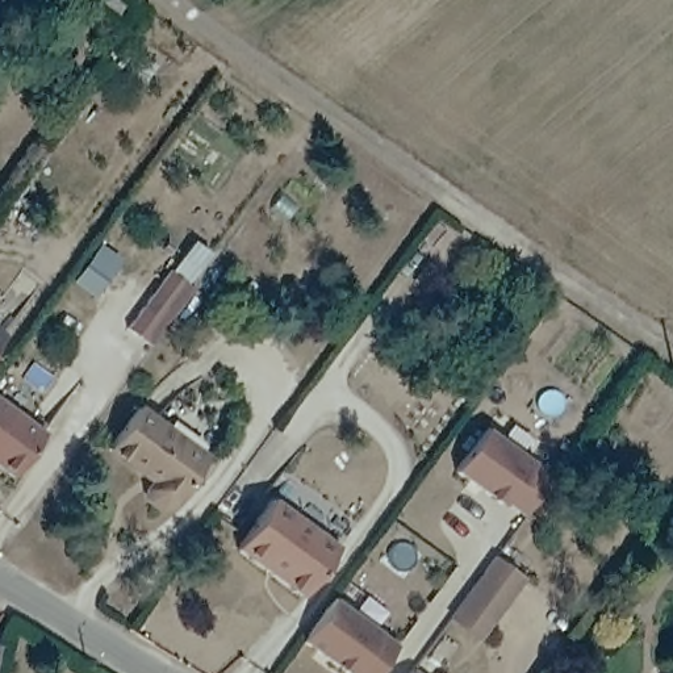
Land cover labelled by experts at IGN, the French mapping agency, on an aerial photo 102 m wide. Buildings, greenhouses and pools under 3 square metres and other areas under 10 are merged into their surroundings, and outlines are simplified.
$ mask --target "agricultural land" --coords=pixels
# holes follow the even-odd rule
[[[407,152],[413,160],[436,171],[455,189],[460,189],[473,202],[502,218],[507,226],[518,229],[523,237],[531,239],[534,255],[542,255],[552,273],[557,266],[565,263],[584,279],[597,276],[613,289],[626,292],[631,300],[655,310],[660,318],[668,318],[673,313],[673,0],[216,0],[216,11],[221,13],[221,18],[229,21],[231,29],[242,29],[242,37],[252,47],[258,47],[266,55],[276,53],[289,66],[315,76],[315,81],[321,84],[318,95],[337,95],[337,105],[347,116],[358,118],[360,124],[397,145],[402,152]]]
[[[615,355],[610,339],[592,339],[589,329],[578,329],[563,350],[563,355],[557,358],[555,371],[563,373],[578,389],[578,397],[589,405],[597,397],[597,392],[607,384],[620,358]]]

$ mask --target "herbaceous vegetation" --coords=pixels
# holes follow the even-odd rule
[[[300,478],[300,484],[315,489],[323,499],[329,499],[329,494],[339,494],[344,499],[344,513],[365,510],[373,505],[373,499],[386,484],[389,463],[381,444],[368,439],[365,447],[347,447],[339,439],[339,423],[323,423],[305,436],[302,444],[305,455],[297,463],[297,468],[305,478]]]
[[[315,652],[321,652],[310,639],[302,644],[302,649],[287,665],[284,673],[323,673],[323,668],[315,662]]]
[[[155,386],[168,381],[189,360],[171,347],[166,337],[155,342],[145,339],[145,360],[137,368],[150,371]]]
[[[618,423],[623,426],[628,442],[649,450],[652,471],[660,478],[673,478],[673,386],[660,376],[649,373],[634,381],[631,392],[626,394],[618,410]]]
[[[147,531],[158,523],[158,513],[155,499],[160,492],[142,489],[124,507],[124,521],[137,518],[137,528]]]
[[[32,131],[32,116],[26,108],[34,97],[32,89],[24,89],[21,95],[5,95],[0,105],[0,192],[13,179],[18,163],[29,155],[29,150],[39,145],[39,137],[39,131]]]
[[[492,647],[486,641],[476,641],[465,631],[465,626],[455,623],[444,634],[444,641],[455,644],[455,649],[447,660],[442,660],[442,673],[489,673],[492,662],[502,662],[502,655],[489,655]]]
[[[42,11],[42,0],[0,0],[0,26],[8,24],[11,11]]]
[[[463,397],[447,392],[434,392],[431,397],[410,394],[400,373],[389,365],[381,365],[371,347],[360,352],[352,363],[347,373],[347,386],[384,421],[394,426],[394,431],[405,439],[410,460],[415,463],[434,444],[439,431],[447,426],[450,415],[463,405]]]
[[[121,189],[124,179],[150,150],[160,129],[171,124],[171,118],[181,110],[202,74],[213,68],[213,58],[208,53],[195,50],[179,50],[174,34],[166,26],[152,26],[145,34],[145,47],[152,55],[152,63],[142,68],[139,105],[129,113],[110,113],[100,92],[89,95],[84,100],[79,118],[66,129],[63,139],[58,142],[55,150],[37,150],[42,158],[42,168],[42,189],[34,189],[26,197],[26,205],[21,208],[29,218],[42,210],[58,208],[58,221],[47,234],[60,234],[74,247],[81,242],[87,229],[103,216],[105,202],[116,195],[116,189]]]
[[[589,329],[592,339],[610,339],[615,355],[620,358],[607,384],[597,392],[597,397],[589,405],[578,397],[578,389],[563,373],[555,371],[557,358],[563,355],[563,350],[578,329]],[[463,431],[457,444],[444,447],[442,457],[423,478],[418,492],[410,497],[394,526],[379,539],[358,576],[350,581],[347,597],[352,597],[363,602],[363,613],[371,620],[392,626],[389,636],[402,641],[418,623],[426,605],[436,599],[444,581],[457,568],[452,547],[439,534],[439,526],[444,523],[444,513],[452,513],[452,505],[457,505],[457,497],[468,494],[468,481],[460,473],[460,468],[478,452],[478,444],[486,436],[486,431],[513,434],[518,444],[536,450],[542,455],[542,505],[534,515],[531,534],[521,539],[515,536],[505,549],[505,555],[515,557],[510,568],[515,573],[523,573],[528,584],[547,594],[549,573],[568,573],[573,568],[578,581],[589,584],[592,594],[599,594],[605,592],[610,576],[620,573],[628,555],[634,557],[636,570],[649,573],[657,568],[652,549],[641,542],[639,534],[628,534],[626,523],[607,536],[599,536],[594,544],[589,544],[586,539],[576,539],[573,528],[563,528],[563,552],[557,557],[542,555],[534,544],[534,531],[542,531],[542,526],[555,513],[555,494],[565,471],[563,447],[568,442],[563,436],[570,431],[589,431],[592,418],[615,397],[620,381],[639,363],[639,358],[652,355],[655,350],[644,342],[634,342],[620,329],[607,326],[602,315],[594,313],[586,302],[560,289],[557,310],[549,318],[544,318],[528,337],[526,360],[513,363],[499,376],[499,392],[494,392],[492,400],[478,402],[473,423]],[[539,400],[547,392],[560,392],[565,397],[563,413],[549,415],[539,407]]]
[[[71,281],[63,297],[55,302],[60,313],[66,313],[66,326],[76,329],[79,337],[89,329],[89,321],[97,313],[97,297],[76,281]]]
[[[24,255],[24,263],[0,260],[0,294],[5,294],[5,289],[13,287],[24,268],[34,263],[34,255]]]
[[[673,610],[655,613],[655,626],[660,628],[655,647],[657,673],[673,673]]]
[[[89,29],[89,34],[81,37],[79,45],[71,50],[76,66],[71,68],[71,74],[76,79],[81,79],[87,71],[97,66],[97,58],[87,55],[89,42],[100,39],[100,32]]]
[[[171,586],[158,602],[147,620],[134,628],[155,649],[192,668],[195,673],[231,673],[242,662],[242,657],[271,631],[276,618],[292,613],[297,602],[308,605],[323,586],[315,578],[308,578],[305,586],[279,584],[276,578],[271,578],[271,573],[255,565],[255,552],[244,547],[234,542],[234,513],[221,513],[221,528],[213,531],[213,536],[221,542],[226,552],[226,573],[223,578],[210,576],[197,592],[213,613],[213,628],[202,636],[187,628],[179,618],[179,597]]]
[[[37,342],[26,339],[21,344],[21,368],[32,371],[34,365],[45,365]]]
[[[124,392],[113,400],[108,413],[108,431],[116,442],[129,429],[137,410],[145,407],[147,400]]]
[[[473,252],[489,250],[507,258],[507,276],[536,273],[539,281],[544,281],[552,276],[552,273],[542,255],[534,255],[521,258],[518,250],[497,244],[492,237],[478,234],[473,226],[465,226],[463,231],[452,231],[450,226],[436,223],[426,234],[415,255],[407,260],[407,266],[394,276],[394,281],[384,292],[386,302],[381,305],[381,313],[389,318],[392,326],[400,326],[402,315],[407,313],[429,318],[436,310],[436,300],[442,294],[426,294],[429,273],[452,273],[463,258]]]
[[[0,547],[0,552],[11,563],[34,570],[42,581],[60,592],[76,592],[84,581],[79,576],[79,565],[66,557],[63,539],[53,536],[50,531],[55,526],[81,526],[92,521],[92,515],[81,505],[81,494],[74,492],[79,476],[89,481],[87,497],[108,494],[108,499],[116,499],[134,484],[134,473],[124,463],[129,455],[121,455],[113,447],[108,447],[100,457],[89,450],[89,444],[79,439],[71,439],[71,444],[66,447],[63,468],[55,484],[47,489],[39,513],[26,523],[24,531],[8,536]]]
[[[326,344],[321,339],[305,339],[300,344],[289,344],[284,358],[289,371],[294,371],[300,379],[308,373],[308,368]]]
[[[181,189],[171,189],[163,179],[163,166],[155,163],[139,184],[139,189],[118,205],[103,242],[118,250],[118,271],[108,289],[121,289],[129,276],[137,276],[139,284],[147,289],[158,268],[166,263],[166,258],[174,258],[176,252],[184,258],[195,244],[210,247],[216,255],[216,260],[202,273],[200,305],[195,313],[205,321],[208,310],[218,305],[223,294],[229,294],[226,276],[237,266],[237,258],[250,266],[250,287],[260,287],[260,297],[268,305],[271,315],[276,310],[305,308],[308,297],[318,289],[323,271],[329,266],[339,266],[344,258],[358,276],[358,284],[368,287],[381,273],[384,263],[394,255],[400,242],[407,237],[407,231],[415,226],[421,213],[436,202],[429,192],[413,187],[397,171],[386,168],[368,152],[360,152],[352,160],[355,179],[371,195],[376,213],[384,221],[384,234],[363,237],[347,221],[344,195],[329,187],[308,163],[308,142],[292,131],[271,131],[268,126],[263,126],[255,131],[255,137],[266,142],[266,152],[244,152],[229,139],[221,116],[210,105],[200,105],[189,113],[189,118],[181,124],[179,134],[171,142],[202,168],[202,176],[197,176]],[[124,216],[137,202],[152,202],[160,213],[160,221],[168,226],[171,234],[166,247],[137,247],[124,231]]]
[[[131,613],[137,605],[131,602],[129,592],[118,584],[118,578],[105,589],[108,602],[121,613]]]
[[[644,639],[628,639],[626,644],[607,649],[605,673],[641,673]]]

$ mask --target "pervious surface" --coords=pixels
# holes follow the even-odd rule
[[[323,423],[339,423],[339,439],[347,447],[365,447],[368,439],[381,444],[389,463],[386,484],[373,499],[373,505],[365,510],[365,515],[352,526],[350,536],[342,539],[339,563],[344,565],[371,531],[371,526],[379,521],[379,515],[386,510],[386,505],[397,497],[415,463],[410,460],[405,439],[394,431],[394,426],[384,421],[347,386],[347,373],[352,363],[360,352],[371,347],[373,318],[365,318],[350,337],[350,342],[339,350],[326,373],[321,376],[321,381],[294,410],[284,431],[289,439],[302,444],[305,436]]]
[[[300,379],[294,371],[289,371],[284,358],[289,344],[263,339],[258,344],[237,344],[231,350],[234,360],[229,365],[237,371],[237,381],[244,386],[244,397],[250,402],[252,415],[242,444],[221,460],[210,465],[205,484],[195,486],[195,494],[179,507],[184,518],[197,518],[205,513],[208,505],[213,505],[231,484],[234,473],[247,460],[247,455],[255,450],[266,429],[271,426],[276,410],[294,392]]]
[[[218,89],[234,92],[237,116],[244,121],[258,116],[258,105],[263,100],[281,103],[292,121],[292,131],[308,142],[313,118],[323,116],[329,126],[342,137],[347,155],[352,160],[360,152],[368,152],[386,168],[397,171],[413,187],[429,192],[436,202],[455,213],[465,226],[473,226],[478,234],[492,237],[497,244],[518,250],[521,258],[534,255],[531,239],[523,237],[518,229],[507,226],[502,218],[473,202],[460,189],[455,189],[436,171],[413,160],[407,152],[402,152],[397,145],[360,124],[358,118],[347,116],[337,105],[337,95],[318,95],[321,84],[315,81],[315,76],[289,66],[276,53],[266,55],[258,47],[252,47],[242,37],[242,29],[231,29],[229,21],[221,18],[221,13],[216,11],[216,0],[150,0],[155,11],[166,13],[189,37],[195,37],[195,50],[208,53],[213,58],[213,68],[218,68],[216,81]]]
[[[34,189],[42,189],[42,168],[32,171],[29,184],[13,200],[11,213],[0,226],[0,260],[24,263],[24,255],[34,255],[34,263],[24,268],[13,287],[13,292],[18,294],[39,294],[71,258],[74,247],[60,234],[47,234],[34,229],[29,218],[21,208],[26,205],[26,197]]]
[[[565,263],[557,266],[552,273],[552,276],[560,284],[560,289],[586,302],[594,313],[602,315],[607,326],[620,329],[634,342],[644,342],[655,350],[673,365],[673,313],[668,318],[660,318],[655,310],[631,300],[626,292],[613,289],[597,276],[584,279]]]
[[[158,513],[158,523],[147,531],[147,536],[126,542],[121,547],[116,536],[118,528],[124,528],[124,521],[124,507],[142,489],[139,484],[134,484],[116,499],[103,563],[95,565],[92,576],[84,581],[76,592],[60,592],[42,581],[34,570],[11,563],[0,552],[0,568],[26,578],[47,597],[74,607],[84,620],[113,634],[116,639],[126,641],[131,649],[147,655],[150,660],[166,665],[171,673],[195,673],[192,668],[155,649],[134,628],[113,623],[97,610],[95,597],[100,589],[105,589],[118,578],[118,573],[131,568],[137,560],[152,555],[155,549],[166,549],[179,518],[174,510]]]
[[[55,484],[63,468],[66,447],[71,444],[71,439],[79,439],[87,434],[95,418],[108,413],[113,400],[124,392],[129,371],[137,368],[145,360],[145,339],[129,326],[139,321],[150,300],[158,294],[158,289],[166,284],[171,273],[179,271],[184,258],[176,252],[174,258],[166,258],[166,263],[158,268],[147,289],[139,284],[137,276],[129,276],[121,289],[108,289],[97,297],[97,313],[89,321],[89,329],[79,337],[79,352],[71,365],[58,368],[53,373],[45,365],[34,365],[32,371],[21,368],[21,344],[11,352],[0,355],[0,389],[11,392],[5,400],[16,407],[16,413],[21,413],[37,426],[47,426],[50,434],[47,447],[42,450],[39,460],[26,471],[21,484],[0,473],[0,547],[8,536],[24,531],[26,523],[39,513],[47,489]]]
[[[271,631],[242,657],[242,662],[231,673],[263,673],[297,631],[308,605],[297,602],[292,613],[276,618]]]

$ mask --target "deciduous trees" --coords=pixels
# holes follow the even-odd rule
[[[26,649],[26,660],[34,668],[34,673],[60,673],[58,655],[37,644]]]
[[[124,392],[147,400],[152,400],[155,386],[150,371],[137,368],[129,371]]]
[[[202,168],[171,142],[163,147],[155,163],[163,166],[163,179],[171,189],[181,189],[197,176],[202,176]]]
[[[371,195],[355,179],[352,160],[347,155],[342,137],[329,126],[323,116],[313,118],[308,142],[308,163],[329,187],[344,195],[347,221],[363,237],[384,234],[384,221],[376,213]]]
[[[66,129],[79,118],[84,100],[89,95],[100,92],[110,113],[129,113],[139,105],[142,68],[152,63],[152,55],[145,47],[145,34],[152,26],[155,11],[150,0],[42,0],[42,11],[11,11],[8,24],[0,26],[0,105],[5,95],[21,95],[24,89],[32,89],[34,97],[26,108],[32,116],[32,131],[39,131],[39,137],[58,142],[63,139]],[[100,32],[100,39],[89,42],[87,55],[97,58],[97,66],[87,71],[81,79],[76,79],[71,74],[71,68],[76,66],[71,50],[79,45],[81,37],[89,34],[89,29]]]
[[[234,92],[218,89],[216,81],[205,89],[200,105],[210,105],[221,116],[229,139],[244,152],[266,152],[266,142],[255,137],[255,131],[263,126],[268,126],[271,131],[292,131],[292,121],[281,103],[263,100],[258,105],[258,116],[244,121],[237,116]]]
[[[213,613],[197,592],[210,576],[223,578],[226,573],[226,552],[221,542],[213,536],[213,531],[221,528],[221,513],[213,505],[208,505],[205,513],[197,518],[184,518],[179,518],[166,549],[155,549],[152,555],[137,560],[131,568],[118,573],[118,578],[118,584],[129,592],[131,602],[137,605],[147,597],[158,602],[171,586],[179,597],[179,618],[187,628],[202,636],[213,628]]]
[[[108,413],[95,418],[87,434],[79,439],[89,444],[89,450],[100,457],[108,447],[113,447],[116,442],[108,431]]]
[[[200,381],[202,407],[210,407],[210,400],[223,402],[218,429],[208,439],[210,450],[221,460],[242,444],[252,415],[250,402],[244,397],[244,386],[237,381],[237,371],[229,365],[216,363],[210,373]]]
[[[34,229],[47,234],[58,221],[58,208],[42,210],[29,218]]]
[[[586,539],[589,544],[594,544],[599,536],[607,536],[626,523],[628,534],[639,534],[641,542],[652,549],[657,568],[673,568],[673,478],[660,478],[652,471],[649,450],[628,442],[623,426],[618,423],[618,410],[626,394],[631,392],[634,381],[649,373],[660,376],[673,386],[673,365],[655,350],[652,355],[639,358],[639,363],[620,381],[615,397],[592,418],[589,431],[570,431],[563,436],[568,442],[563,447],[565,471],[555,494],[555,513],[542,526],[542,531],[534,531],[534,544],[542,555],[557,557],[563,552],[563,528],[573,528],[576,539]]]
[[[168,226],[160,221],[160,213],[152,202],[137,202],[124,216],[124,231],[137,247],[166,247],[171,234]]]
[[[74,492],[81,494],[81,505],[92,515],[92,521],[81,526],[55,526],[50,531],[53,536],[63,539],[66,557],[79,565],[79,576],[84,581],[92,576],[95,565],[103,563],[116,499],[108,499],[108,494],[87,497],[89,481],[79,476]]]
[[[71,365],[79,352],[79,337],[76,329],[66,326],[66,313],[60,313],[42,326],[37,342],[45,365],[53,373],[58,368]]]
[[[628,555],[620,573],[610,576],[605,592],[599,594],[592,594],[589,584],[578,581],[573,568],[568,573],[549,573],[547,594],[547,602],[555,610],[555,615],[568,620],[581,607],[592,615],[594,610],[602,610],[615,620],[623,618],[631,607],[636,607],[636,586],[649,578],[649,573],[636,570],[634,557]]]
[[[229,294],[223,294],[218,305],[208,310],[205,321],[195,313],[171,321],[166,326],[166,337],[171,347],[189,360],[200,358],[200,344],[210,342],[213,331],[223,334],[229,344],[237,344],[258,344],[263,339],[289,344],[300,344],[305,339],[321,339],[326,344],[337,344],[339,350],[350,342],[350,337],[365,318],[373,318],[371,347],[381,365],[389,365],[400,373],[410,394],[431,397],[434,392],[447,392],[463,397],[476,397],[478,402],[492,400],[494,392],[499,392],[499,376],[513,363],[526,360],[528,337],[544,318],[549,318],[557,310],[560,289],[560,284],[552,276],[544,281],[539,281],[536,273],[507,276],[507,258],[489,250],[473,252],[463,258],[452,273],[429,273],[426,294],[442,294],[436,300],[436,310],[429,318],[407,313],[402,315],[400,326],[392,326],[389,318],[381,313],[381,305],[386,302],[384,292],[371,292],[368,287],[358,284],[358,276],[344,258],[339,266],[329,266],[323,271],[318,289],[308,297],[305,308],[276,310],[271,315],[268,305],[260,297],[260,287],[250,287],[250,266],[237,258],[237,266],[226,276]]]
[[[605,673],[607,649],[599,647],[592,636],[570,639],[568,647],[555,657],[555,662],[542,673]]]

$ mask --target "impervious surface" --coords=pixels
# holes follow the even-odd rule
[[[400,652],[384,660],[392,673],[442,673],[442,660],[447,660],[455,649],[455,644],[444,641],[444,634],[455,623],[460,607],[468,602],[468,597],[476,592],[476,586],[484,581],[484,576],[497,560],[510,568],[515,557],[505,555],[505,549],[515,536],[521,539],[531,534],[534,515],[518,513],[515,505],[497,499],[489,489],[484,489],[476,481],[468,481],[468,494],[457,497],[457,505],[452,505],[452,513],[444,513],[444,523],[439,526],[439,534],[452,547],[457,568],[444,581],[436,599],[426,605],[418,623],[402,641]]]
[[[323,673],[352,673],[337,657],[321,652],[315,652],[315,662],[323,668]]]
[[[229,365],[234,360],[231,350],[237,344],[229,344],[223,334],[213,331],[210,342],[200,344],[200,358],[189,360],[168,381],[155,386],[152,400],[147,400],[145,407],[152,410],[163,423],[179,423],[181,429],[192,429],[195,436],[208,439],[218,429],[223,402],[210,400],[210,407],[202,407],[200,381],[210,373],[216,363]]]
[[[302,444],[289,439],[284,431],[271,426],[266,429],[255,450],[247,455],[247,460],[234,473],[231,484],[213,505],[221,513],[234,513],[234,542],[244,547],[244,542],[258,531],[266,510],[281,494],[292,497],[300,505],[315,505],[321,510],[321,521],[329,528],[334,528],[342,539],[350,536],[352,526],[365,515],[365,510],[344,513],[344,499],[339,494],[329,494],[329,499],[323,499],[315,489],[300,484],[300,478],[305,478],[297,468],[297,463],[305,455]]]
[[[74,607],[47,597],[26,578],[0,568],[0,599],[5,599],[8,610],[18,610],[34,618],[37,623],[42,623],[76,649],[84,649],[89,657],[100,660],[116,673],[171,673],[166,665],[150,660],[147,655],[131,649],[126,641],[116,639],[113,634],[84,620]]]
[[[13,292],[13,287],[5,289],[5,294],[0,294],[0,329],[11,334],[11,352],[21,344],[26,339],[29,329],[39,315],[34,305],[39,294],[18,294]]]
[[[649,573],[649,578],[636,586],[636,607],[631,607],[623,618],[628,618],[634,631],[641,631],[644,639],[641,673],[657,673],[655,647],[660,628],[655,626],[655,613],[673,610],[673,568],[657,568]]]
[[[492,647],[489,655],[502,655],[502,662],[492,662],[489,673],[542,673],[555,662],[555,657],[568,647],[570,639],[570,634],[565,634],[568,620],[555,615],[555,610],[547,602],[547,594],[528,584],[523,586],[513,607],[502,615],[499,628],[492,628],[486,641]]]

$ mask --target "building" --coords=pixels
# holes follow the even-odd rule
[[[542,505],[542,455],[536,450],[518,444],[513,434],[486,431],[486,436],[478,444],[478,452],[460,468],[460,473],[468,481],[476,481],[484,489],[489,489],[497,499],[515,505],[518,513],[534,515]]]
[[[11,334],[0,329],[0,355],[11,352]]]
[[[492,628],[499,628],[502,615],[513,607],[523,586],[528,584],[523,573],[515,573],[510,568],[497,560],[484,576],[484,581],[476,586],[476,592],[468,597],[468,602],[460,607],[455,623],[465,626],[465,631],[476,641],[486,641]]]
[[[195,486],[205,484],[210,465],[221,460],[210,450],[208,439],[195,436],[192,429],[181,429],[179,423],[163,423],[152,410],[145,407],[137,410],[129,429],[116,442],[113,447],[121,455],[129,455],[124,463],[134,473],[134,484],[139,484],[142,489],[160,492],[155,499],[158,513],[174,510],[179,518],[184,518],[179,507],[195,494]]]
[[[321,652],[337,657],[352,673],[392,673],[384,660],[400,652],[402,641],[389,636],[392,626],[371,620],[363,613],[363,602],[352,597],[355,605],[344,605],[342,599],[337,599],[326,610],[310,639]]]
[[[16,407],[5,400],[11,392],[0,389],[0,473],[21,484],[26,471],[39,460],[42,450],[47,447],[50,434],[47,426],[37,426],[21,413],[16,413]]]
[[[103,242],[97,258],[76,281],[97,297],[108,289],[118,271],[118,250]]]
[[[150,300],[139,321],[129,326],[145,339],[155,342],[166,337],[166,326],[171,321],[195,313],[200,305],[202,273],[216,260],[216,255],[210,247],[195,244],[184,258],[179,271],[171,273],[166,284],[158,289],[158,294]]]
[[[323,586],[339,576],[344,565],[339,563],[342,539],[334,528],[329,528],[321,521],[321,510],[315,505],[300,505],[292,497],[281,494],[266,510],[258,531],[244,542],[244,547],[255,552],[255,565],[271,573],[271,578],[276,578],[279,584],[305,586],[308,578],[315,578]]]

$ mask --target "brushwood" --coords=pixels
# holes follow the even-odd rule
[[[26,660],[26,649],[37,644],[58,655],[60,673],[116,673],[100,660],[89,657],[84,649],[76,649],[42,623],[37,623],[34,618],[18,610],[8,610],[5,599],[0,599],[0,673],[34,673],[34,668]]]
[[[371,526],[371,531],[344,565],[339,576],[323,586],[308,605],[297,631],[263,673],[284,673],[287,665],[302,649],[302,644],[310,639],[326,610],[337,599],[342,599],[344,605],[355,605],[352,597],[347,597],[350,581],[358,576],[379,539],[394,526],[410,497],[418,492],[423,478],[442,457],[444,447],[457,444],[463,431],[473,423],[478,402],[476,397],[463,397],[463,405],[450,415],[447,426],[439,431],[434,444],[415,463],[397,497],[386,505],[386,510],[379,515],[379,521]]]
[[[42,168],[42,158],[37,150],[55,150],[58,142],[39,137],[39,145],[29,150],[29,155],[18,163],[13,179],[0,192],[0,226],[11,213],[13,200],[29,184],[32,171]]]
[[[326,344],[308,368],[308,373],[300,379],[294,392],[276,410],[271,426],[284,431],[294,410],[321,381],[321,376],[326,373],[339,350],[337,344]]]
[[[116,536],[121,547],[126,542],[147,536],[147,531],[137,528],[137,518],[124,521],[124,528],[118,528]]]
[[[105,589],[100,589],[95,597],[97,610],[113,623],[134,628],[147,620],[158,602],[147,597],[137,605],[131,613],[121,613],[108,602]]]
[[[407,260],[415,255],[426,234],[436,223],[450,226],[452,231],[463,231],[465,226],[455,213],[436,202],[421,213],[415,226],[407,231],[407,237],[400,242],[394,255],[384,263],[381,273],[368,287],[371,292],[384,292],[394,281],[394,276],[407,266]]]
[[[594,610],[592,615],[581,607],[568,620],[565,634],[570,634],[570,639],[592,636],[599,647],[607,649],[626,644],[628,639],[644,639],[641,631],[634,631],[628,618],[623,618],[615,620],[602,610]]]
[[[205,89],[216,81],[218,68],[213,68],[202,74],[181,110],[171,118],[171,124],[160,129],[150,150],[124,179],[121,189],[116,189],[116,195],[105,202],[103,216],[87,229],[81,242],[74,247],[71,258],[39,294],[34,305],[39,315],[29,329],[26,339],[37,342],[42,326],[60,313],[55,302],[63,297],[71,281],[76,281],[97,258],[103,242],[118,205],[139,189],[139,184],[155,163],[163,147],[171,142],[179,134],[181,124],[189,118],[189,113],[200,105]]]
[[[166,26],[174,34],[179,50],[195,50],[195,37],[189,37],[166,13],[155,11],[152,26]]]

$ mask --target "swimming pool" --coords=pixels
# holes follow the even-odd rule
[[[560,392],[547,392],[539,400],[539,407],[549,415],[563,413],[565,397]]]

